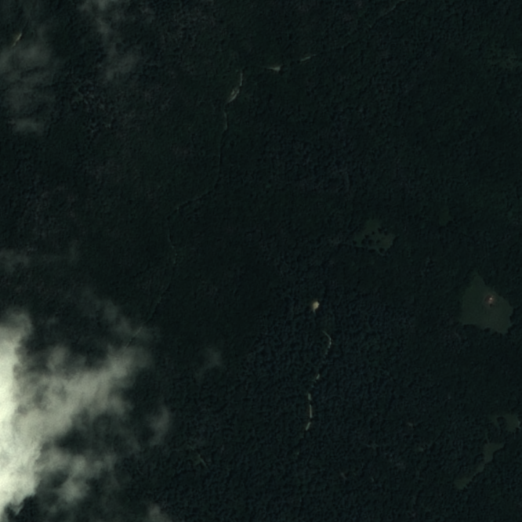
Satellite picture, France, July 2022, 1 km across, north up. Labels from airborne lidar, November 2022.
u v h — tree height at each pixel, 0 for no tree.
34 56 16
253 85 18
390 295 18
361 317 27
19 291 16
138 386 18
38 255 14
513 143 19
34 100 22
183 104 19
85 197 13
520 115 21
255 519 27
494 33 12
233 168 13
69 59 11
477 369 20
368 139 22
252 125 20
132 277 15
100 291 14
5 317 12
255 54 13
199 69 8
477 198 19
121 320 15
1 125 10
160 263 14
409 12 16
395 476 17
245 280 25
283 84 15
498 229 19
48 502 19
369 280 25
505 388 21
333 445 18
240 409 19
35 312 13
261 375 29
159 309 17
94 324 21
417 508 17
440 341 15
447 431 23
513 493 15
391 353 14
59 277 12
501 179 18
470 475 13
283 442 13
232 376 17
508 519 15
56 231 13
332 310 21
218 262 22
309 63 12
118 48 28
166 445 20
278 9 17
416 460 13
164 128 14
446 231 21
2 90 23
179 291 18
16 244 10
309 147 25
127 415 17
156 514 18
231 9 7
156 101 18
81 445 16
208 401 9
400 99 19
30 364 16
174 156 10
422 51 13
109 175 18
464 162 22
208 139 18
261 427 18
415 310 26
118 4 25
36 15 18
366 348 26
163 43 18
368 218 17
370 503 18
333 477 17
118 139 18
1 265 15
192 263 18
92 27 25
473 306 0
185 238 22
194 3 18
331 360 30
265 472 17
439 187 18
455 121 23
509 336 15
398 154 19
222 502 17
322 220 14
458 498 17
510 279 20
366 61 14
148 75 21
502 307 0
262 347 16
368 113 20
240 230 22
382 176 20
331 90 19
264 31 13
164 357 18
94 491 14
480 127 18
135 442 26
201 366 23
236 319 23
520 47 14
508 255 11
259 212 18
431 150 18
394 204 21
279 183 20
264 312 20
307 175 17
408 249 17
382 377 7
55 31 9
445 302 20
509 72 9
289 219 17
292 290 23
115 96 18
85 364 22
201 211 16
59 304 17
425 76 18
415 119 19
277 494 19
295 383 17
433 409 21
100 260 10
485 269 20
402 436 16
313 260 25
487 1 21
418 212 10
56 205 15
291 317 24
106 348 25
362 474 7
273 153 26
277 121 23
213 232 26
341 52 17
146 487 10
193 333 21
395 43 23
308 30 11
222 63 12
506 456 12
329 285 27
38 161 22
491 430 19
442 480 12
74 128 7
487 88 19
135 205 20
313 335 10
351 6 23
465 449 15
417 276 17
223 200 16
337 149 22
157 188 12
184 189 15
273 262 24
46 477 19
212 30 17
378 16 20
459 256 15
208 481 25
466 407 19
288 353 19
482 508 10
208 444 20
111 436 10
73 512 15
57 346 17
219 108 15
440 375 21
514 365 19
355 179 29
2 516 21
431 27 16
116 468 20
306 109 17
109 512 14
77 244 13
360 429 22
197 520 5
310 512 20
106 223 15
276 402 9
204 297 16
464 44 17
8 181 23
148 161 8
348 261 24
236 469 16
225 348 23
